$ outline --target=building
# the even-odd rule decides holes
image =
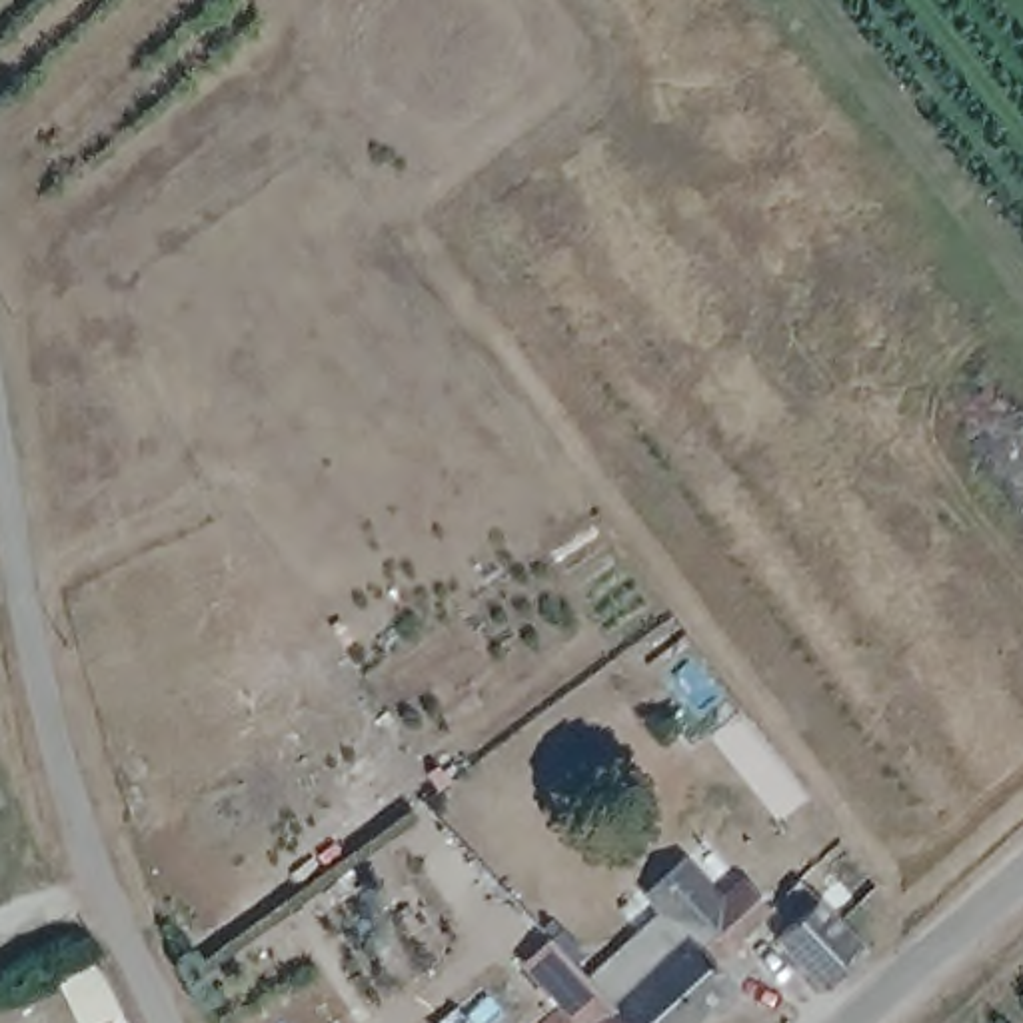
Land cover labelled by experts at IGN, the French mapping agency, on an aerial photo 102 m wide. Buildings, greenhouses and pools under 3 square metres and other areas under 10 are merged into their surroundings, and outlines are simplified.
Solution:
[[[595,975],[587,971],[587,955],[563,923],[555,923],[547,935],[547,943],[535,955],[519,959],[523,979],[555,995],[555,1007],[535,1023],[703,1023],[707,995],[727,995],[727,971],[711,963],[711,955],[699,943],[687,943],[687,935],[695,923],[727,931],[751,907],[755,887],[735,867],[711,879],[683,855],[663,883],[647,891],[655,923],[639,931],[619,955],[611,955]]]
[[[823,899],[799,927],[779,935],[787,947],[783,959],[787,967],[807,971],[815,987],[831,991],[851,975],[851,959],[859,955],[859,947],[851,919],[843,923],[839,907]]]

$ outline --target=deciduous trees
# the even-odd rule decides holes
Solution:
[[[551,827],[563,831],[567,847],[583,855],[583,863],[627,867],[639,875],[655,851],[663,851],[655,835],[659,807],[651,779],[639,775],[631,751],[623,747],[611,763],[599,763],[595,771],[583,763],[567,767],[555,791],[539,799],[539,811]]]
[[[164,951],[180,983],[176,1003],[184,1023],[236,1023],[240,1015],[256,1011],[268,995],[280,995],[284,987],[304,987],[316,975],[316,963],[308,955],[296,955],[276,971],[260,975],[248,995],[228,999],[224,987],[232,975],[224,975],[224,963],[236,959],[236,939],[212,955],[200,955],[200,943],[192,943],[176,927],[176,919],[156,915]]]
[[[16,64],[0,64],[0,100],[16,96],[24,76],[32,76],[56,48],[76,40],[76,32],[92,16],[112,8],[116,0],[80,0],[56,28],[40,32]]]
[[[100,939],[88,931],[76,943],[52,943],[0,975],[0,1007],[28,1007],[60,991],[68,975],[96,967],[104,951]]]
[[[839,0],[855,20],[859,36],[875,52],[883,52],[887,68],[899,72],[915,100],[915,112],[939,132],[955,164],[999,204],[999,216],[1015,224],[1023,240],[1023,0]]]
[[[140,92],[120,112],[120,120],[112,120],[80,152],[68,152],[40,172],[44,196],[92,160],[100,160],[124,132],[132,132],[148,112],[172,100],[172,92],[180,92],[184,80],[208,72],[216,60],[228,60],[232,48],[256,28],[256,8],[248,8],[244,0],[212,0],[144,64],[152,88]]]

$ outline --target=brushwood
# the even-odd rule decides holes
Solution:
[[[623,579],[595,599],[599,627],[615,627],[623,619],[615,603],[627,591],[635,591],[635,579]]]
[[[575,627],[571,603],[563,595],[508,595],[492,587],[472,587],[472,603],[480,611],[468,615],[468,623],[488,635],[492,659],[504,655],[508,643],[535,643],[531,611],[539,611],[555,627]]]
[[[384,559],[376,583],[352,587],[356,607],[376,603],[380,595],[388,595],[388,587],[400,587],[400,611],[392,615],[392,623],[400,635],[416,639],[428,623],[448,623],[448,595],[456,591],[456,579],[424,583],[412,559]]]
[[[296,819],[296,811],[284,807],[272,823],[268,859],[276,863],[284,851],[296,851],[300,831],[316,827],[316,819]]]
[[[448,731],[440,699],[428,691],[408,703],[400,699],[396,715],[404,727],[416,727],[428,715],[436,731]]]
[[[504,567],[512,579],[547,575],[551,559],[515,559],[508,551],[504,531],[492,527],[492,555],[484,559],[484,571]]]
[[[711,735],[719,727],[719,707],[715,699],[703,699],[703,715],[675,715],[675,735]]]
[[[424,971],[432,967],[428,947],[416,935],[408,935],[408,903],[380,899],[372,843],[352,855],[340,851],[332,863],[320,863],[308,879],[280,883],[228,923],[200,943],[200,955],[212,955],[236,939],[268,915],[280,919],[296,911],[308,895],[328,891],[340,871],[356,871],[352,899],[320,915],[320,931],[340,935],[344,975],[364,995],[364,1003],[376,1003],[388,991],[396,991],[396,975],[384,971],[376,947],[384,927],[392,927],[408,963]]]

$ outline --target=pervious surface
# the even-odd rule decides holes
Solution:
[[[943,903],[927,923],[919,923],[903,939],[907,951],[931,931],[939,931],[959,907],[967,907],[991,879],[999,879],[1023,855],[1023,835],[995,863],[987,863],[951,903]]]
[[[300,831],[296,851],[284,851],[276,863],[268,859],[240,867],[240,891],[220,911],[220,919],[228,923],[280,883],[308,879],[320,863],[332,863],[340,851],[352,855],[372,843],[396,827],[412,815],[412,807],[424,803],[420,783],[436,783],[436,771],[424,771],[424,759],[400,743],[404,727],[396,715],[376,715],[372,723],[360,723],[352,743],[356,759],[348,767],[336,767],[332,807],[316,819],[316,827]]]
[[[224,963],[224,975],[232,975],[224,987],[228,999],[248,995],[260,975],[276,971],[296,955],[308,955],[316,963],[316,975],[340,995],[348,1011],[364,1003],[364,995],[344,975],[340,935],[320,931],[320,915],[352,899],[356,871],[340,871],[328,891],[308,895],[296,911],[280,919],[268,915],[236,939],[236,959]]]
[[[859,947],[859,955],[851,959],[851,975],[831,991],[815,987],[807,971],[787,967],[783,959],[767,959],[767,983],[783,987],[787,1023],[823,1023],[855,995],[863,995],[895,959],[875,959],[867,947]]]

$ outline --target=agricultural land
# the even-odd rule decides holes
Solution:
[[[863,815],[863,827],[899,863],[903,891],[931,875],[967,839],[975,839],[975,831],[1023,791],[1023,240],[1015,224],[999,216],[999,204],[955,164],[939,132],[915,112],[915,100],[899,72],[887,68],[883,52],[875,52],[859,36],[855,20],[839,0],[559,0],[579,36],[587,40],[575,56],[575,68],[587,76],[547,116],[527,124],[512,144],[504,144],[484,168],[464,176],[428,212],[392,220],[396,236],[412,240],[416,232],[432,232],[448,248],[448,260],[460,272],[460,280],[472,284],[476,304],[488,308],[496,324],[515,340],[531,372],[551,388],[567,420],[579,428],[595,464],[619,484],[627,508],[659,539],[659,547],[679,567],[687,587],[699,595],[715,627],[759,675],[759,687],[779,699],[803,747]]]

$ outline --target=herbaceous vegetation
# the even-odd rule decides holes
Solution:
[[[120,959],[104,951],[96,967],[108,979],[128,1023],[148,1023]]]
[[[416,935],[428,947],[432,967],[452,963],[460,931],[452,923],[448,899],[436,891],[424,867],[424,855],[408,847],[408,839],[396,827],[372,843],[380,899],[408,903],[408,935]]]
[[[40,32],[56,28],[80,0],[0,0],[0,64],[16,64]]]
[[[352,1023],[348,1011],[340,995],[316,975],[304,987],[284,987],[280,995],[268,995],[256,1011],[240,1015],[236,1023]]]
[[[384,971],[396,975],[396,991],[408,991],[424,971],[408,963],[392,927],[384,927],[376,947]]]
[[[36,747],[32,707],[16,663],[16,631],[0,571],[0,907],[16,895],[64,883],[68,843],[44,755]]]
[[[120,112],[140,92],[152,88],[144,64],[212,0],[116,0],[112,8],[92,16],[76,32],[76,40],[56,48],[32,76],[24,76],[16,96],[0,100],[0,380],[8,400],[16,480],[24,496],[28,555],[40,555],[32,587],[40,591],[40,619],[56,639],[52,671],[60,699],[68,707],[76,771],[88,807],[100,811],[100,843],[108,851],[120,891],[132,903],[132,919],[144,931],[144,943],[156,955],[164,951],[156,915],[176,919],[176,927],[192,943],[200,943],[228,923],[220,919],[220,911],[240,891],[240,867],[268,859],[272,823],[284,807],[296,811],[296,819],[316,819],[332,807],[336,767],[348,767],[356,759],[352,743],[360,723],[372,723],[376,715],[396,715],[400,699],[408,703],[428,691],[440,699],[448,731],[436,731],[428,715],[416,727],[404,727],[400,743],[424,759],[424,771],[436,771],[436,783],[420,783],[424,803],[436,811],[436,831],[460,843],[464,863],[476,863],[496,879],[496,887],[484,891],[484,903],[523,911],[535,923],[535,931],[547,935],[555,923],[563,923],[587,955],[599,951],[627,923],[627,899],[647,891],[663,883],[683,855],[711,879],[735,867],[755,887],[751,907],[727,931],[695,923],[687,935],[687,943],[699,943],[711,955],[711,963],[727,971],[727,995],[707,995],[703,1023],[787,1023],[783,987],[767,983],[767,959],[783,959],[787,947],[779,935],[799,927],[823,899],[823,891],[835,879],[847,891],[871,879],[871,895],[851,919],[859,947],[867,947],[875,959],[895,959],[907,951],[903,939],[919,923],[927,923],[943,903],[951,903],[987,863],[995,863],[1023,835],[1023,791],[975,831],[975,839],[967,839],[931,875],[903,891],[899,863],[863,827],[863,815],[803,747],[779,699],[759,687],[759,675],[715,627],[699,595],[687,587],[679,567],[659,547],[659,539],[627,508],[619,484],[595,464],[579,428],[567,420],[551,388],[531,372],[515,340],[496,324],[488,308],[476,304],[472,284],[460,280],[460,272],[448,260],[448,248],[432,232],[416,232],[412,240],[396,236],[392,220],[428,212],[464,176],[484,168],[504,144],[512,144],[527,124],[547,116],[587,76],[575,68],[575,56],[587,40],[579,36],[559,0],[244,0],[248,8],[256,8],[256,28],[232,48],[228,60],[216,60],[208,72],[184,80],[180,92],[172,92],[172,100],[148,112],[132,132],[124,132],[100,160],[92,160],[44,196],[40,172],[68,152],[80,152],[112,120],[120,120]],[[484,571],[484,559],[492,555],[492,527],[504,531],[508,551],[515,559],[551,559],[547,575],[512,579],[504,567]],[[356,607],[352,587],[376,583],[384,559],[412,559],[424,583],[456,579],[456,591],[448,595],[448,623],[428,623],[416,639],[400,635],[392,623],[392,615],[400,611],[400,587],[388,587],[388,595],[380,595],[376,603]],[[595,599],[623,579],[635,579],[635,591],[627,591],[615,603],[623,619],[615,627],[599,627]],[[539,611],[531,611],[535,643],[508,643],[504,655],[492,659],[488,635],[468,623],[468,615],[480,611],[472,603],[472,587],[492,587],[508,595],[563,595],[571,603],[575,627],[555,627]],[[703,667],[711,675],[711,683],[723,691],[715,699],[719,707],[731,707],[739,719],[747,719],[759,731],[759,739],[783,759],[791,779],[803,787],[803,807],[791,815],[771,815],[735,775],[735,767],[711,735],[675,735],[675,715],[675,703],[667,699],[679,691],[679,675],[687,667]],[[611,763],[623,747],[631,751],[639,775],[651,779],[659,807],[655,835],[663,851],[655,851],[639,875],[627,867],[583,863],[583,855],[567,847],[563,831],[551,827],[539,811],[539,799],[555,791],[567,767],[583,763],[595,771],[599,763]]]
[[[939,995],[907,1023],[1023,1023],[1023,915],[1007,923],[1007,939],[983,963],[963,967],[951,995]]]
[[[36,931],[12,935],[0,947],[0,975],[52,943],[76,943],[88,931],[80,923],[44,923]]]
[[[76,1023],[60,991],[28,1007],[0,1007],[0,1023]]]
[[[420,1023],[535,1023],[555,1007],[555,995],[523,979],[519,959],[512,955],[504,967],[488,967],[472,983],[468,999],[444,999]]]

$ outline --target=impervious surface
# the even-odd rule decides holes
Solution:
[[[679,675],[679,691],[667,699],[675,703],[675,715],[703,715],[703,699],[715,699],[723,691],[711,683],[711,675],[703,667],[687,667]]]
[[[28,555],[24,496],[16,480],[8,400],[0,380],[0,571],[16,631],[16,663],[32,707],[36,747],[44,755],[68,843],[64,883],[16,895],[0,907],[0,947],[12,935],[36,931],[44,923],[80,923],[88,931],[100,939],[104,951],[120,959],[148,1023],[184,1023],[176,1003],[180,983],[164,951],[156,955],[144,943],[144,931],[132,919],[132,903],[120,891],[108,851],[100,843],[100,811],[88,807],[76,771],[68,707],[60,699],[52,671],[56,639],[40,619],[40,591],[32,587],[40,555]]]
[[[76,1023],[128,1023],[108,979],[96,967],[68,975],[60,991]]]
[[[843,923],[851,919],[871,895],[871,879],[847,891],[835,879],[823,891],[823,899],[839,907]]]
[[[655,923],[647,891],[627,899],[627,923],[599,951],[587,955],[587,971],[595,975],[611,955],[619,955],[639,931]]]
[[[951,995],[963,967],[983,963],[1007,939],[1007,923],[1023,915],[1023,855],[999,879],[991,879],[967,907],[959,907],[939,931],[931,931],[907,951],[895,959],[863,995],[855,995],[823,1023],[907,1023],[939,995]]]
[[[719,727],[711,735],[735,767],[735,775],[771,815],[791,815],[803,807],[803,787],[791,779],[783,759],[759,739],[759,731],[747,719],[739,719],[731,707],[719,707]]]
[[[452,963],[432,967],[424,971],[408,991],[396,991],[388,991],[376,1003],[364,1003],[348,1011],[352,1023],[420,1023],[444,999],[468,999],[472,983],[488,967],[504,967],[512,955],[519,959],[535,955],[547,943],[547,935],[535,931],[535,923],[523,911],[484,903],[484,891],[496,887],[496,879],[476,863],[464,863],[460,843],[436,831],[436,811],[424,803],[412,807],[412,815],[396,827],[408,839],[408,847],[424,855],[424,867],[436,891],[448,899],[452,923],[460,931]]]

